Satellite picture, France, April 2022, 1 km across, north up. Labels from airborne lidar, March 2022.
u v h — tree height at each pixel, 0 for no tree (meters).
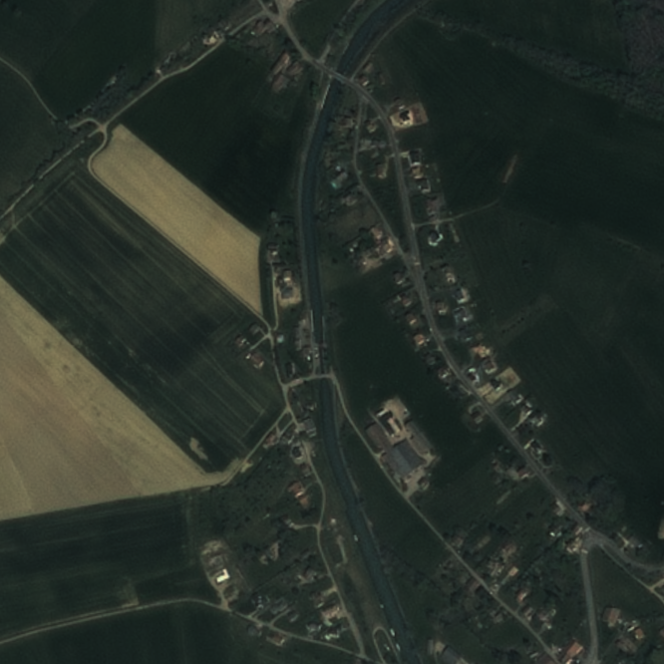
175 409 0
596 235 0
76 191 0
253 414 0
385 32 0
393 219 0
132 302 0
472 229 0
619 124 0
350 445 0
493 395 0
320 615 0
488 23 0
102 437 0
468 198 0
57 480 0
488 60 0
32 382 0
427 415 0
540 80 0
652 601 0
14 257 0
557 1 0
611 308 0
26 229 0
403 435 0
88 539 0
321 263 0
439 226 0
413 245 0
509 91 0
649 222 0
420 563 0
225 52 0
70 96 0
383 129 0
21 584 0
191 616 0
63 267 0
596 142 0
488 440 0
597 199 0
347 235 0
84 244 0
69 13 0
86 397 0
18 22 0
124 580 0
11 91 0
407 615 0
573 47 0
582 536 0
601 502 26
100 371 0
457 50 0
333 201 8
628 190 0
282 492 0
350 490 0
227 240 0
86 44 0
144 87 9
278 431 0
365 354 0
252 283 0
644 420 0
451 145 0
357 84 0
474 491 0
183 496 0
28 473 0
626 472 0
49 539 0
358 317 0
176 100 0
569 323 0
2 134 0
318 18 0
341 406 0
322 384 0
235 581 0
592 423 0
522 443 0
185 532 0
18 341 0
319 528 0
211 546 0
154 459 0
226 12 0
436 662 0
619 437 0
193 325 0
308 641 0
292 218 6
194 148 0
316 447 0
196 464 0
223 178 0
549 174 0
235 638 0
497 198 0
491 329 0
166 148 0
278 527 15
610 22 0
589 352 0
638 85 19
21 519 0
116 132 0
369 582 0
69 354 0
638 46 22
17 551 0
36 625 0
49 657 0
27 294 0
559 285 0
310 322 0
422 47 0
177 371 0
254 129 0
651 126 0
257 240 0
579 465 0
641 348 0
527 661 0
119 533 0
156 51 0
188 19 0
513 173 0
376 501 0
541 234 0
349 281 0
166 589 0
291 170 0
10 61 0
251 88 0
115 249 0
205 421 0
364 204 0
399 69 0
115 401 0
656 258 0
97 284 0
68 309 0
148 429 0
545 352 0
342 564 0
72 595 0
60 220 0
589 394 0
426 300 0
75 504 0
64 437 0
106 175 0
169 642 0
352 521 0
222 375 0
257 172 0
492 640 0
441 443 0
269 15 0
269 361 0
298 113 0
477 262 0
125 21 0
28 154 0
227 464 0
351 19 18
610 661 0
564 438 0
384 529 0
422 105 0
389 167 0
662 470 0
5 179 0
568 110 0
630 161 0
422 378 0
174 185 0
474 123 0
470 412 0
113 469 0
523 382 0
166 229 0
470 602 0
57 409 0
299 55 11
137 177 0
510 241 0
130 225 0
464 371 0
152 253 0
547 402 0
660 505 0
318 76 0
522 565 0
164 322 0
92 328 0
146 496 0
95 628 0
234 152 0
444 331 0
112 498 0
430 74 0
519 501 0
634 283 0
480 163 0
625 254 0
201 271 0
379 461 0
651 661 15
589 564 0
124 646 0
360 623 0
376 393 0
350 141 11
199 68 0
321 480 0
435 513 0
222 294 0
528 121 0
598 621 0
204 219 0
